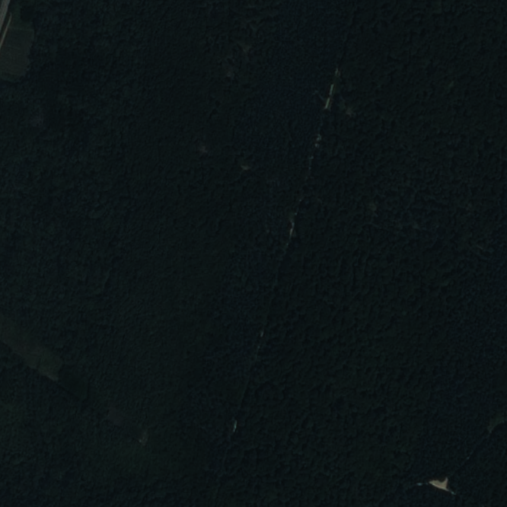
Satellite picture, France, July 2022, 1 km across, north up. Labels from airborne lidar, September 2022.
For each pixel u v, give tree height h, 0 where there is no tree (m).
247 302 23
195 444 15
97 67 18
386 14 23
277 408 22
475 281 24
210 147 21
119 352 19
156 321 13
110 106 30
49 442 26
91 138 32
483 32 20
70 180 26
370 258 19
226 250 16
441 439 18
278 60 20
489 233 23
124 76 28
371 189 23
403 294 23
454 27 22
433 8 25
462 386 34
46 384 18
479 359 22
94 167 28
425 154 21
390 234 23
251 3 21
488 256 23
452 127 24
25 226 29
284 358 26
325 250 23
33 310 26
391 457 21
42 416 25
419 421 21
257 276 20
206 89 19
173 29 20
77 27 26
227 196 18
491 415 21
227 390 25
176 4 23
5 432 10
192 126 20
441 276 22
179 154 15
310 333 24
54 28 24
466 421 23
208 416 22
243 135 22
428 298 20
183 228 22
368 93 22
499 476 13
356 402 21
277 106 17
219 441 22
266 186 22
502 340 20
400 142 24
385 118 24
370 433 20
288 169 23
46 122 18
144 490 25
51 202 26
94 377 25
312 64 23
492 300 20
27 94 22
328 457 24
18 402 10
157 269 18
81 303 24
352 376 21
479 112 23
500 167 14
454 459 19
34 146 14
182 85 20
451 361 17
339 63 23
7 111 19
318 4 20
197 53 17
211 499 19
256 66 20
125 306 19
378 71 24
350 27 21
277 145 21
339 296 24
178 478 16
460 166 23
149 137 22
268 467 24
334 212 25
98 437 15
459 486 16
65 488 30
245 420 21
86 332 22
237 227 20
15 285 28
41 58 14
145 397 13
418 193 27
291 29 18
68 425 24
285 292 22
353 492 25
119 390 19
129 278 19
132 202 19
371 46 24
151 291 15
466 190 27
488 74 20
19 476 12
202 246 16
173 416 20
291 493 28
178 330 19
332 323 25
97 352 26
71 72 17
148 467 17
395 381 24
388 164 24
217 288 16
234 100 20
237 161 24
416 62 24
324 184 23
